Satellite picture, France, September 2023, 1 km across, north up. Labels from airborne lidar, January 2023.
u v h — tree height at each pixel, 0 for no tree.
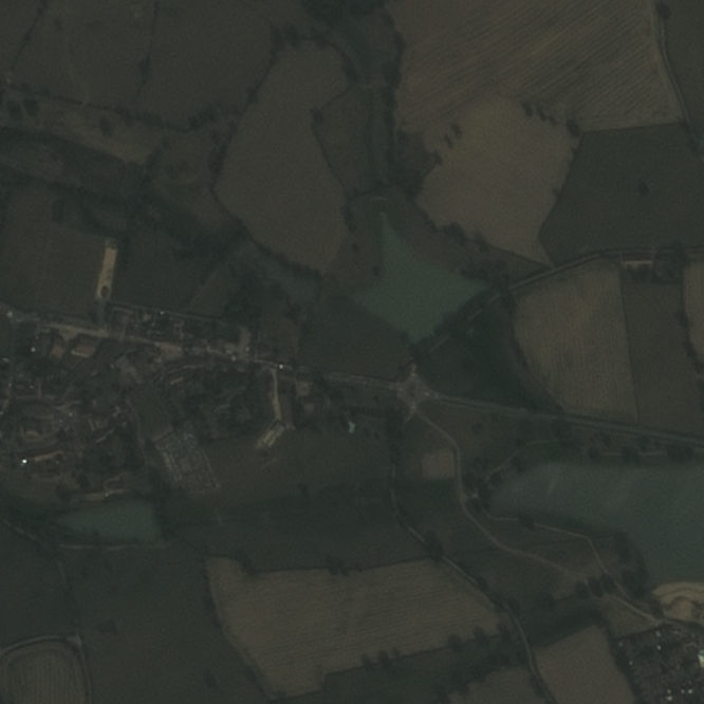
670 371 0
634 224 0
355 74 20
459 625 0
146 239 0
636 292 0
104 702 0
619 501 0
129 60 0
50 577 0
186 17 0
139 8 0
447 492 0
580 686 0
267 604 0
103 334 0
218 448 0
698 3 0
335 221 0
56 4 0
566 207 0
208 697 0
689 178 0
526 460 0
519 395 0
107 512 0
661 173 0
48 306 0
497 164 0
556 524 0
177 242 0
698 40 0
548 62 0
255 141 0
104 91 0
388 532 0
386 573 0
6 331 0
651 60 0
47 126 0
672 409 0
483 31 0
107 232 0
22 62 0
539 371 0
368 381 0
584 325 0
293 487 0
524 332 0
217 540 0
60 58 0
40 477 0
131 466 9
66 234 0
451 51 0
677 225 0
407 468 0
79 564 0
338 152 0
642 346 0
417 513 0
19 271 0
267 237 0
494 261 0
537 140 0
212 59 0
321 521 0
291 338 0
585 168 0
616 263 0
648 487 0
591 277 0
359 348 0
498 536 0
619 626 0
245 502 0
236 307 15
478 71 0
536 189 0
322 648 0
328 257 0
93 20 0
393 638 0
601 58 0
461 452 0
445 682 0
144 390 0
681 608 0
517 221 0
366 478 0
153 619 0
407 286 0
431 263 0
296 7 0
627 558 20
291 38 18
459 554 0
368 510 0
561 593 0
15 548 0
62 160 0
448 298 0
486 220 0
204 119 12
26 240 0
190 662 0
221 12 0
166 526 16
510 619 0
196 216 0
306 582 0
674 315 0
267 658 0
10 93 0
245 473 0
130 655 0
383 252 0
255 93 11
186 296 0
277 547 0
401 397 0
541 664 0
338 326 0
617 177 0
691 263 0
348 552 0
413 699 0
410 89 0
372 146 0
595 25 0
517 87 0
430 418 0
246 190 0
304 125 0
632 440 0
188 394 8
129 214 15
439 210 0
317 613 0
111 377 0
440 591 0
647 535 0
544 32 0
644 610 0
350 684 0
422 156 0
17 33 0
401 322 0
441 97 0
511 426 0
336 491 0
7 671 0
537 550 0
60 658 0
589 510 0
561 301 0
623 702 0
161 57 0
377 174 0
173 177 0
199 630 0
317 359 0
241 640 0
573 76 0
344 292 0
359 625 0
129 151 0
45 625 0
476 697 0
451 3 0
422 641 0
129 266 0
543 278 0
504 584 0
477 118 0
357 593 0
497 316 0
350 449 0
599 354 0
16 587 0
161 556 0
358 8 15
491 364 0
